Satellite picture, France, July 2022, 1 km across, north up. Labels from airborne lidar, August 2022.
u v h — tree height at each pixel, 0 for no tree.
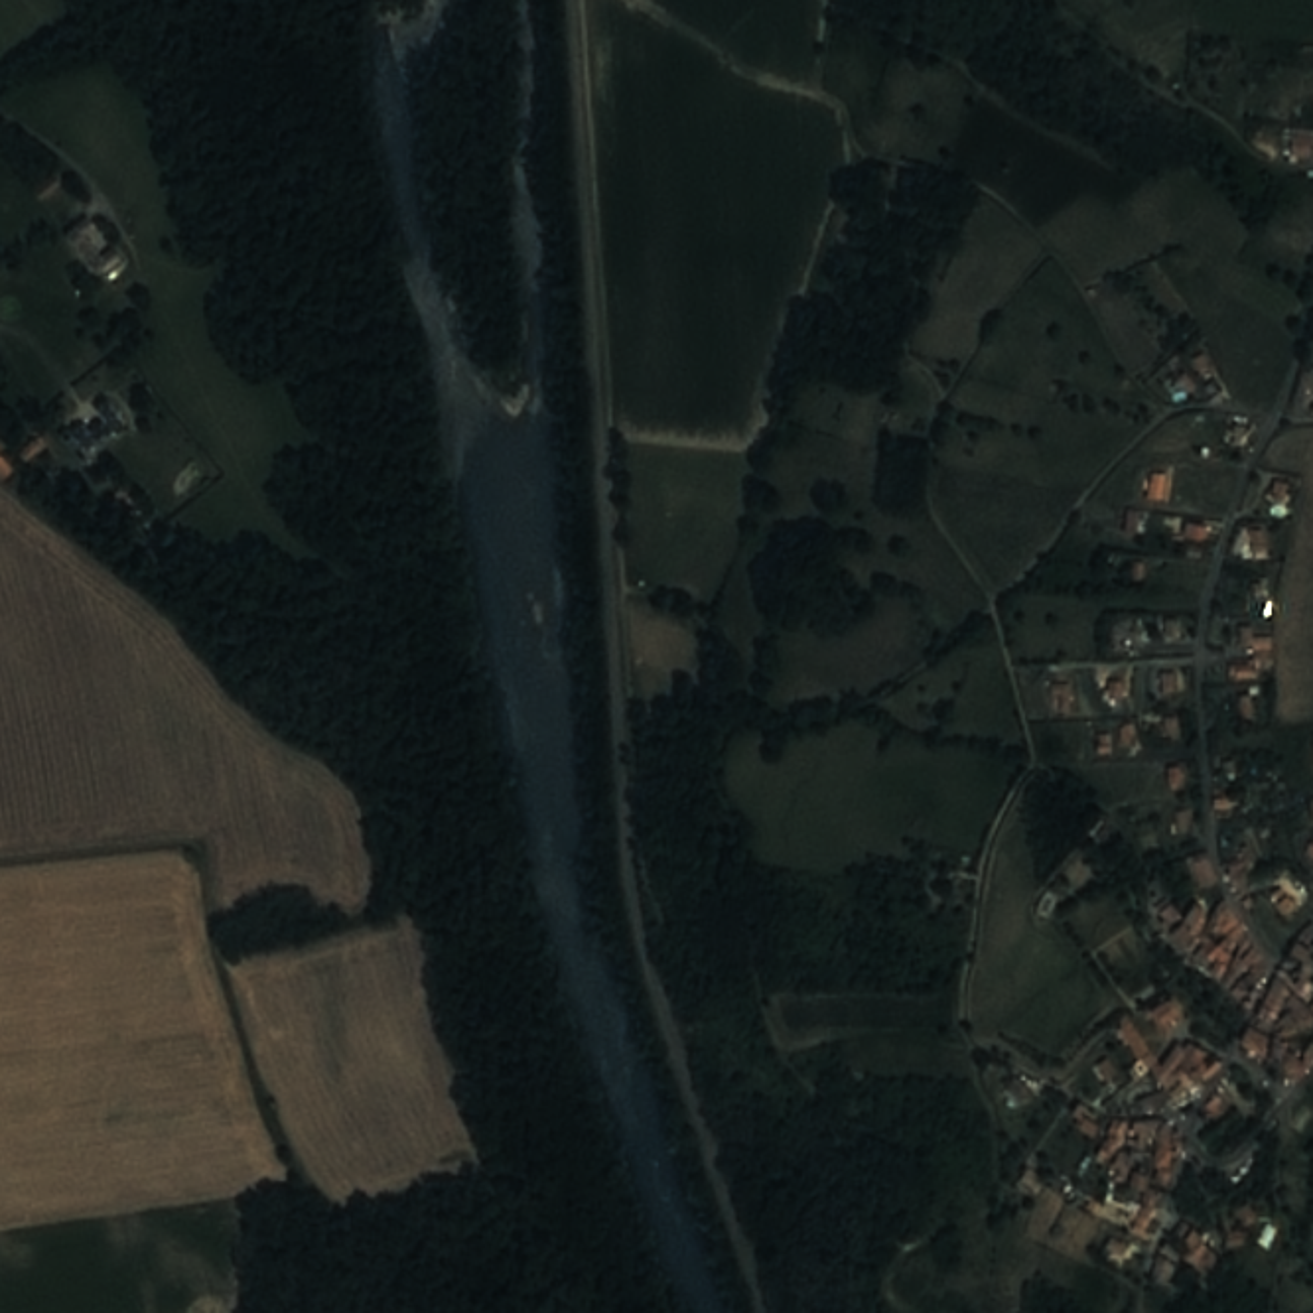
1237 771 7
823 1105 13
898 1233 6
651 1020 12
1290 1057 0
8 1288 0
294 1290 22
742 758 0
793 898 6
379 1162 0
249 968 0
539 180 20
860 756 0
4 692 0
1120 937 0
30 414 27
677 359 0
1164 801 0
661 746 20
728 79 0
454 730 28
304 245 22
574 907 0
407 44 0
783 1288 14
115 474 20
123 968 0
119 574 15
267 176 25
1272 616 0
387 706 22
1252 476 7
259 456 0
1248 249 0
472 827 25
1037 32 11
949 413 11
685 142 0
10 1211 0
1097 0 0
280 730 11
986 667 0
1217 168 14
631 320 0
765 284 0
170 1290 0
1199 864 0
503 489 0
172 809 0
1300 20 0
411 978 0
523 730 0
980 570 0
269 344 23
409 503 10
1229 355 0
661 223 0
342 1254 21
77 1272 0
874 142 0
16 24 0
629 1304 13
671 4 0
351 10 21
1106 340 0
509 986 16
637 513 0
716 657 22
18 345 0
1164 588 0
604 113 0
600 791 21
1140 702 0
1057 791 9
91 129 0
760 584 23
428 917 19
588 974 0
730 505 0
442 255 12
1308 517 0
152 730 0
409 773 19
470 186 31
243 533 0
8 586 0
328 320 17
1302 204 0
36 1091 0
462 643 19
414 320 10
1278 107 0
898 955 9
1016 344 0
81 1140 0
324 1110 0
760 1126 13
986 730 0
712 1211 18
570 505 19
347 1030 0
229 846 0
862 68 0
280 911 15
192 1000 0
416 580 18
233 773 0
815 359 20
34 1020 0
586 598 9
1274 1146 8
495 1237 21
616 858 15
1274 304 0
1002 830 0
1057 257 0
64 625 0
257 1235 14
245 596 28
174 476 0
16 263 20
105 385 0
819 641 10
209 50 20
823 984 7
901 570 0
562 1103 14
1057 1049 0
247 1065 0
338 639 16
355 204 21
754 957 10
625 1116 0
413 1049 0
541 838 0
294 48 18
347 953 0
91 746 0
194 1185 0
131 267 0
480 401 0
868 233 20
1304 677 0
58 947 0
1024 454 0
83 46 17
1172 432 0
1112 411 7
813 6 0
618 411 0
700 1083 13
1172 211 0
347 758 13
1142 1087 0
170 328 0
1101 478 0
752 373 0
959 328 0
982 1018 0
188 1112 0
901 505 15
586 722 20
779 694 0
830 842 0
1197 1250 0
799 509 0
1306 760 0
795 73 0
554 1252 25
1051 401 0
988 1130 0
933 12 8
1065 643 0
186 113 13
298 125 27
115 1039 0
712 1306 0
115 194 0
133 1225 0
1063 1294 6
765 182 0
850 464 0
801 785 0
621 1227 13
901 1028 0
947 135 0
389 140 0
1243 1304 7
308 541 14
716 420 0
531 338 0
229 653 21
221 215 24
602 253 0
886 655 0
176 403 0
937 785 0
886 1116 7
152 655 0
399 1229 21
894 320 19
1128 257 0
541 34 25
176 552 29
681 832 22
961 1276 0
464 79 30
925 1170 9
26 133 18
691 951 9
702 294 0
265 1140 0
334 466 12
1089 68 12
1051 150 0
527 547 0
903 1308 0
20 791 0
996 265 0
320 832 0
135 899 0
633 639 0
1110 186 0
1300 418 0
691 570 0
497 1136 18
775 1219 12
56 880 0
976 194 15
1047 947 0
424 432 20
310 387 26
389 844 20
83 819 0
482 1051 24
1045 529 0
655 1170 0
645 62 0
